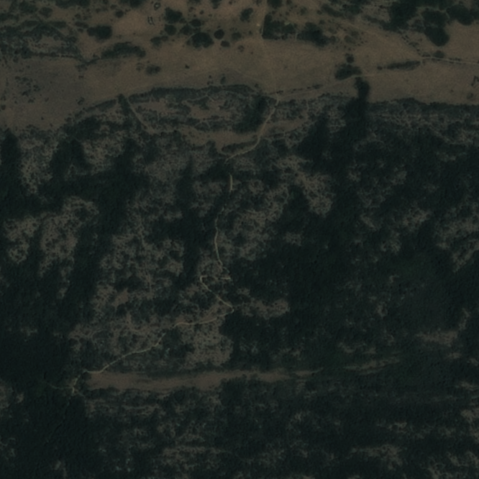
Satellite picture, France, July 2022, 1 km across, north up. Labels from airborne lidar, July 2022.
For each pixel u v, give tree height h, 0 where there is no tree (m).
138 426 6
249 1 0
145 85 0
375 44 0
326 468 6
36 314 10
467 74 0
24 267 11
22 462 13
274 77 0
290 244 7
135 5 0
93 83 0
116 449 6
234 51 0
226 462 8
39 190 9
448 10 0
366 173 8
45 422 12
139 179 6
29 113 0
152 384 0
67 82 0
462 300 10
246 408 6
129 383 0
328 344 8
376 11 0
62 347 8
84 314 8
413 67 0
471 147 8
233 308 6
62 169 6
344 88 0
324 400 7
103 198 10
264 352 8
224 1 0
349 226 8
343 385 7
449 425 6
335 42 0
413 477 9
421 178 7
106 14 0
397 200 7
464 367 9
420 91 0
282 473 8
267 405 6
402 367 8
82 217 8
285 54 0
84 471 8
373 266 7
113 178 9
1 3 0
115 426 7
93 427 10
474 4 0
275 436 7
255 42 0
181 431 7
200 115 0
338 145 8
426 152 6
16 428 8
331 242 7
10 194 16
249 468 6
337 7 0
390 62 0
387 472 7
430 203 9
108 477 11
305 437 6
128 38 0
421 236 13
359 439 9
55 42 0
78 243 8
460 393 7
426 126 7
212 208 7
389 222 9
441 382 7
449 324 6
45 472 8
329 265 10
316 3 0
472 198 6
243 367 7
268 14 0
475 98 0
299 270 14
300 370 0
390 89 0
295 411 9
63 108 0
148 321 6
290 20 0
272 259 10
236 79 0
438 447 9
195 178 7
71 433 15
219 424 6
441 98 0
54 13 0
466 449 5
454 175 12
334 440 10
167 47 0
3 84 0
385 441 6
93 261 9
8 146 11
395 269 8
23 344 9
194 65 0
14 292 12
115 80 0
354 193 9
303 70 0
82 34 0
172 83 0
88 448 14
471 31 0
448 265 11
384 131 7
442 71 0
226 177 8
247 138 0
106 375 0
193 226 13
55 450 7
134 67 0
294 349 9
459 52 0
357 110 12
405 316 7
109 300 6
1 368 17
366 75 0
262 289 12
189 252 11
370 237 8
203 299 6
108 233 8
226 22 0
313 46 0
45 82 0
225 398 6
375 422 7
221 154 7
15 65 0
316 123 7
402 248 10
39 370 15
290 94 0
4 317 8
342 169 10
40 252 8
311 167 7
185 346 8
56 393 10
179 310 6
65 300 10
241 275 8
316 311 6
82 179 9
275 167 7
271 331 10
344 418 7
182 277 12
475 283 8
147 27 0
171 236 11
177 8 0
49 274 8
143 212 7
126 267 6
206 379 0
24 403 6
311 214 7
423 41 0
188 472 6
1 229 9
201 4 0
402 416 10
